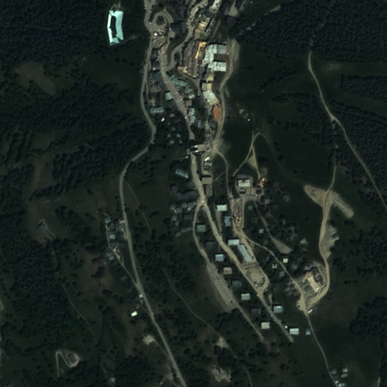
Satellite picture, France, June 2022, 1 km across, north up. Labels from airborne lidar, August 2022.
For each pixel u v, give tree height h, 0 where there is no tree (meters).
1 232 31
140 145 8
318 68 0
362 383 0
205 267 0
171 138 8
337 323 0
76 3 18
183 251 0
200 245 0
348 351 0
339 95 0
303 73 0
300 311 0
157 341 7
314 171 0
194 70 0
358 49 22
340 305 0
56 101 22
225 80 0
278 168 0
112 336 7
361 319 10
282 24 14
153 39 0
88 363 8
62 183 8
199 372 15
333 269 0
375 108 0
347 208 0
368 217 0
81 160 23
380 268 21
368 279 9
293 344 11
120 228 0
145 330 8
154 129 0
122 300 11
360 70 0
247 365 19
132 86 0
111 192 0
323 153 0
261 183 0
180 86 0
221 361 19
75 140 20
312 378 0
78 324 17
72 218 21
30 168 15
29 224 0
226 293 0
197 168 0
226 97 0
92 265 0
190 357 13
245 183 0
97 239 9
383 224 0
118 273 7
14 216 11
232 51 0
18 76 14
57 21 25
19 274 19
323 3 26
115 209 0
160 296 19
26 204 11
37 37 30
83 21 32
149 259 19
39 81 0
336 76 0
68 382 17
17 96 27
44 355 14
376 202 23
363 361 0
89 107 24
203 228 0
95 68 0
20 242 17
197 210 0
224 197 12
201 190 0
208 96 0
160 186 0
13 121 27
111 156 10
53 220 0
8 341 11
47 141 0
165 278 11
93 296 0
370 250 16
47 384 15
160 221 0
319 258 0
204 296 0
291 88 0
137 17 7
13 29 16
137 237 15
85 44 30
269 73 0
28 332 20
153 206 0
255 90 0
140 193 0
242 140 0
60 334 19
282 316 0
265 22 27
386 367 19
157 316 7
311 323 0
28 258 32
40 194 9
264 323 0
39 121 26
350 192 0
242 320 13
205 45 0
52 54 30
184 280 15
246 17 8
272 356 14
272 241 10
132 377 21
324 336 0
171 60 0
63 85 0
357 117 17
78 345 0
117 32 0
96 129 18
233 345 16
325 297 0
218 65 0
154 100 0
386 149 17
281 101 19
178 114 12
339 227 0
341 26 18
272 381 0
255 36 32
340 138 15
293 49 23
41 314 7
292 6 25
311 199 0
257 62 0
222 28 0
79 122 16
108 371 8
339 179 0
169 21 0
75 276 11
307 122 20
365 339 30
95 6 16
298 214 0
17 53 28
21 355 13
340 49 25
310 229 0
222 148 0
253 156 0
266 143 0
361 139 16
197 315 0
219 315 12
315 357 0
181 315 17
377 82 22
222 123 0
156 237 20
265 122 0
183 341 21
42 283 17
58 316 26
